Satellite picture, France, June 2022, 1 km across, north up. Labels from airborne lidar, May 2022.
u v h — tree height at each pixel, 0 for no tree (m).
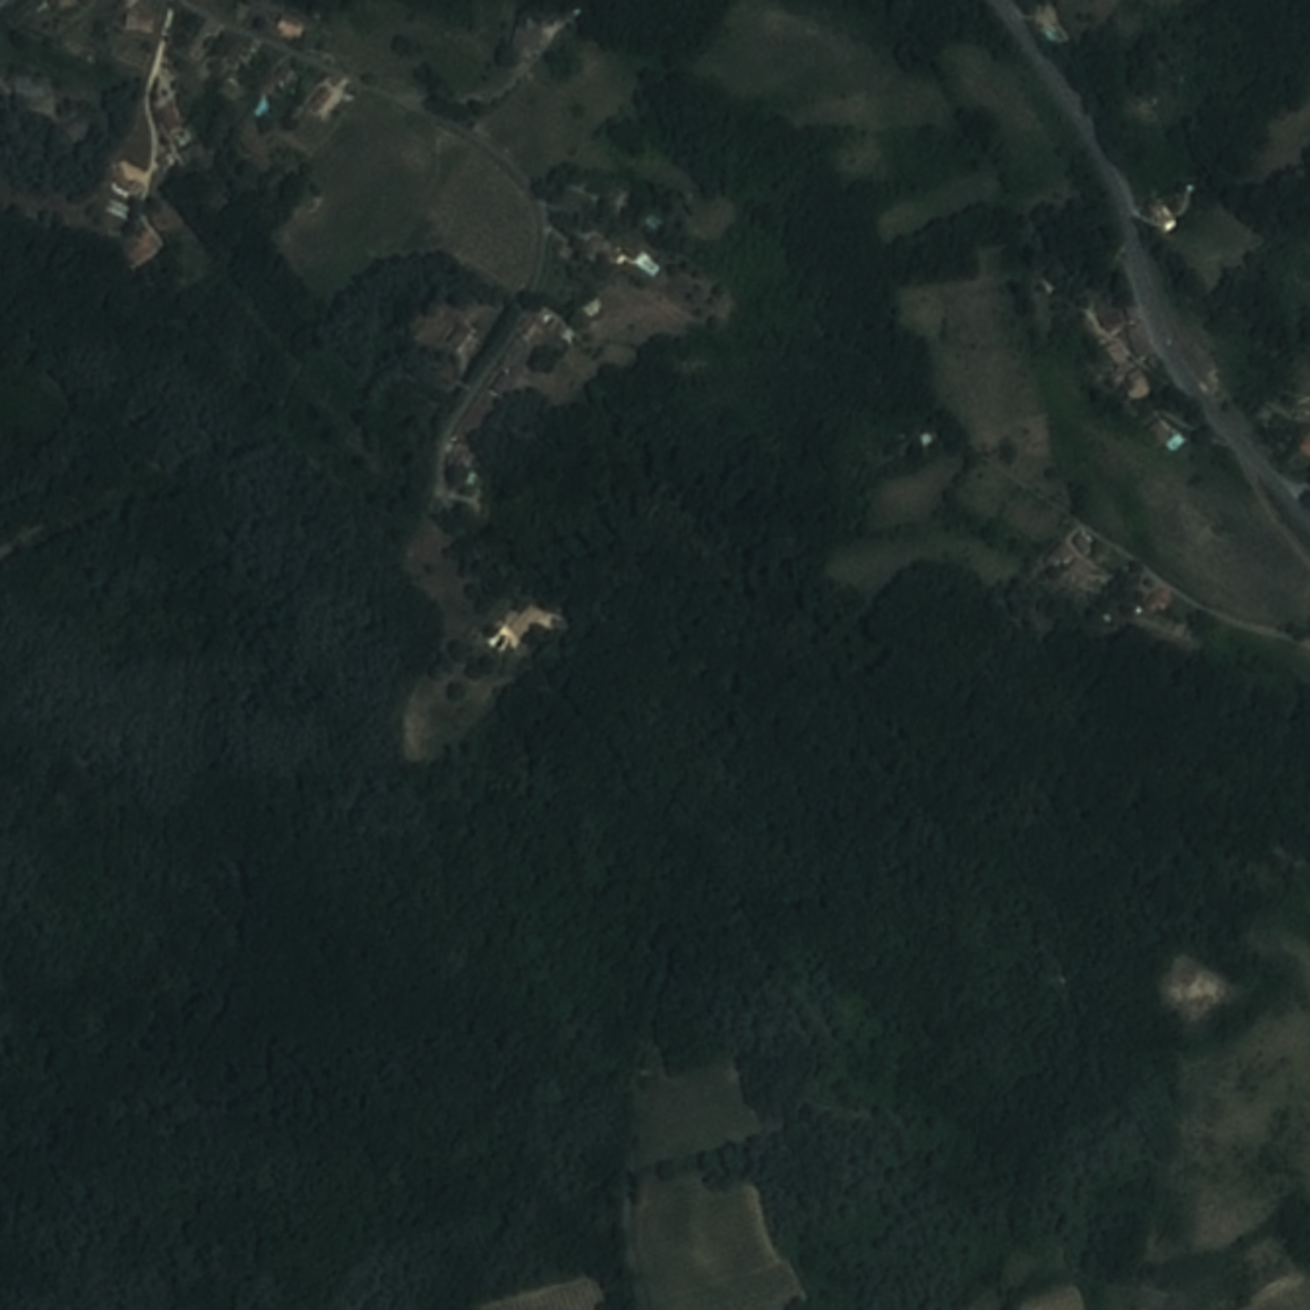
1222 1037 9
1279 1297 0
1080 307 9
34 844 17
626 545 23
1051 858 24
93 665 22
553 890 20
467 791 22
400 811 20
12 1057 24
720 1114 0
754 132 14
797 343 14
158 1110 22
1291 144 0
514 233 0
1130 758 21
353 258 0
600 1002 24
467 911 14
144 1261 21
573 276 9
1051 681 14
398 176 0
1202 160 15
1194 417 15
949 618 18
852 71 0
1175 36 8
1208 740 24
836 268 19
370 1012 24
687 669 15
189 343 18
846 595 23
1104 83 18
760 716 25
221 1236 21
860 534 14
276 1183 15
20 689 21
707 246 8
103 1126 27
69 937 18
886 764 30
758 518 29
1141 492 0
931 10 24
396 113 0
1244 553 0
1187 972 0
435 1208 25
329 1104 23
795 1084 14
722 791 16
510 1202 22
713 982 17
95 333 20
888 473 8
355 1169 18
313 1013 23
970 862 19
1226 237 0
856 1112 11
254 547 27
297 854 22
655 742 18
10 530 17
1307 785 14
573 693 25
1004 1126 17
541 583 14
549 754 20
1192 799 23
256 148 0
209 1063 30
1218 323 11
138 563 28
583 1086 22
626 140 13
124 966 22
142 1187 20
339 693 21
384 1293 18
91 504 5
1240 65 10
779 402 15
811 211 15
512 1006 20
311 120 0
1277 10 22
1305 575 0
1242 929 12
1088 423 0
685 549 23
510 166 0
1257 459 0
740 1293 0
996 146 16
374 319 24
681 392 12
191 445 24
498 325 9
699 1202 0
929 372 6
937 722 28
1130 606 7
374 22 0
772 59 0
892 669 23
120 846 22
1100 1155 18
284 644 20
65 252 15
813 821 26
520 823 22
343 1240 15
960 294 0
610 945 19
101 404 20
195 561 26
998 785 26
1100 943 11
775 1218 8
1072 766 25
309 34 7
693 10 17
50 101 0
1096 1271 16
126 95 9
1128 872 26
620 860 16
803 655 20
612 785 25
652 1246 0
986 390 0
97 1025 16
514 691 17
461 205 0
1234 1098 0
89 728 26
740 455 14
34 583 15
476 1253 24
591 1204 23
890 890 16
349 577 14
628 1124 19
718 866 18
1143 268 0
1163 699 26
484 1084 16
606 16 15
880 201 17
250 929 32
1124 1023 21
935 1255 18
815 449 11
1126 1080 16
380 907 18
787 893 23
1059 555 0
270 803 24
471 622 0
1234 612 0
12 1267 12
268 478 23
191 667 27
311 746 24
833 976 13
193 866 26
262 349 12
